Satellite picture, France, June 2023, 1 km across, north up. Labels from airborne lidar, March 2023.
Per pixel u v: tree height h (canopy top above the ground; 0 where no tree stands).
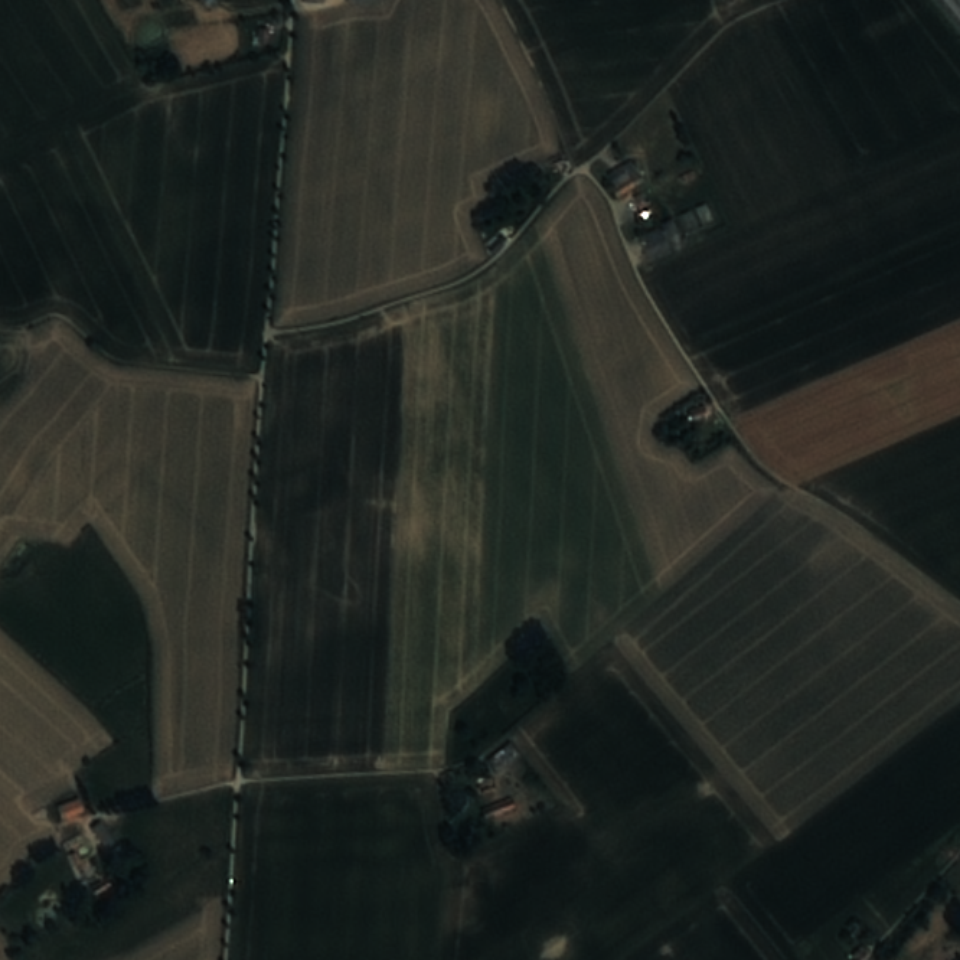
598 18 0
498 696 0
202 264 0
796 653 0
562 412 0
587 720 0
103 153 0
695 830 0
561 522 0
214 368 0
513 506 0
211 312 0
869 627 0
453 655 0
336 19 0
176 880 0
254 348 0
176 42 0
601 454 0
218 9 0
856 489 0
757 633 0
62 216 0
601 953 0
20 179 0
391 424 0
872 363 0
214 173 0
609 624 0
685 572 0
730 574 0
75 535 0
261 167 0
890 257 0
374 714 0
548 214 0
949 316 0
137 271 0
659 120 0
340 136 0
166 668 0
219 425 0
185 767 0
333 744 0
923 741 0
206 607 0
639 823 0
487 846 0
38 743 0
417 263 0
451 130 0
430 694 0
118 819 0
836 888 0
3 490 0
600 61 0
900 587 0
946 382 0
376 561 0
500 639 0
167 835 0
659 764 0
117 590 0
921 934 0
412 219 0
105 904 20
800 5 0
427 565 0
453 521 0
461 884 0
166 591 0
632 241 0
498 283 0
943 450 0
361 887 0
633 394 0
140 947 0
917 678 0
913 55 0
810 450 0
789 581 0
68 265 0
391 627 0
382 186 0
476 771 10
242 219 0
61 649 0
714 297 0
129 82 0
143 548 0
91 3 0
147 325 0
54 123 0
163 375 0
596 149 0
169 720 0
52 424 0
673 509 0
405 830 0
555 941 0
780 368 0
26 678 0
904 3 0
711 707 0
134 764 0
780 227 0
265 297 0
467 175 0
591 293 0
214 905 0
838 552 0
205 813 0
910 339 0
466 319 0
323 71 0
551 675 19
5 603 0
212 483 0
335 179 0
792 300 0
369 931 0
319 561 0
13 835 0
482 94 0
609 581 0
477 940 0
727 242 0
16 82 0
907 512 0
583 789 0
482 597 0
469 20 0
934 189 0
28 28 0
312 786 0
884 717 0
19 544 0
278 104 0
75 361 0
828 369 0
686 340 0
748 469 0
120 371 0
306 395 0
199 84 0
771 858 0
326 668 0
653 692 0
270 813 0
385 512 0
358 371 0
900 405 0
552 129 0
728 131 0
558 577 0
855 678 0
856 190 0
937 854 0
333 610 0
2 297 0
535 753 0
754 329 0
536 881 0
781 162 0
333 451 0
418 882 0
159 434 0
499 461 0
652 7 0
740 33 0
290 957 0
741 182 0
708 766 0
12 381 0
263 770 0
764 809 0
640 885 0
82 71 0
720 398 0
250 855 0
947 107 0
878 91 0
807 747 0
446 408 0
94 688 0
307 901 0
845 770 0
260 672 0
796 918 0
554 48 0
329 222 0
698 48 0
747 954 0
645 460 0
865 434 0
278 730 0
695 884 0
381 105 0
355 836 0
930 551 0
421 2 0
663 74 0
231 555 0
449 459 0
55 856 0
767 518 0
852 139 0
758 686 0
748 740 0
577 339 0
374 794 0
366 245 0
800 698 0
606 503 0
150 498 0
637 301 0
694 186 0
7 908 0
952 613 0
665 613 0
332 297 0
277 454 0
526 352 0
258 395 0
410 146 0
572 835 0
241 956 0
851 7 0
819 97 0
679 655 0
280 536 0
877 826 0
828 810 0
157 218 0
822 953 0
